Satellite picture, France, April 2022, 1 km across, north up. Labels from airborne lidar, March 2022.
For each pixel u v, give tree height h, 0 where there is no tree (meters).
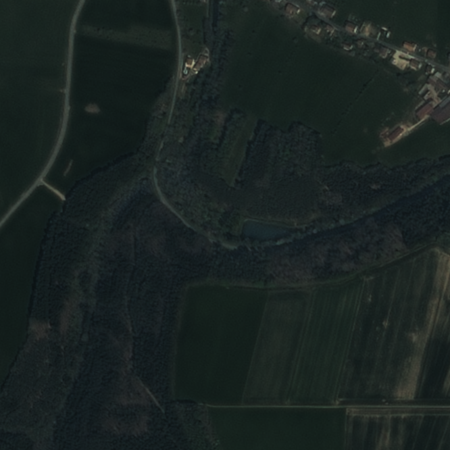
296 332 0
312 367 0
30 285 0
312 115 0
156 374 18
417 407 0
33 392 17
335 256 30
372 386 0
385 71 0
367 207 25
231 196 21
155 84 0
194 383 0
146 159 25
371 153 0
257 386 0
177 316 25
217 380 0
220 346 0
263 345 0
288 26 0
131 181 23
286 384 0
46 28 0
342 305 0
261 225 0
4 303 0
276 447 0
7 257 0
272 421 0
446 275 0
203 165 16
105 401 21
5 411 19
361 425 0
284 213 22
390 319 0
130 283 20
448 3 0
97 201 27
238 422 0
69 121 0
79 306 20
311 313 0
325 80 0
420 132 0
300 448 0
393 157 0
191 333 0
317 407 0
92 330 25
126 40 0
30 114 0
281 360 0
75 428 22
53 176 0
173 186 26
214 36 24
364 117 0
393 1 0
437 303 0
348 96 0
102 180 25
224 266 18
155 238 18
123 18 0
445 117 0
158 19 0
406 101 0
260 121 0
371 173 21
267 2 7
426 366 0
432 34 0
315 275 23
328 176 21
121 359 20
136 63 0
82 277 22
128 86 0
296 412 0
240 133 17
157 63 0
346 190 22
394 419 0
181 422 26
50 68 0
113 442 18
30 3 0
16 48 0
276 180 20
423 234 24
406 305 0
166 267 20
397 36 0
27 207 0
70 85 0
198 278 25
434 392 0
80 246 30
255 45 0
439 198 30
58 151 0
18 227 0
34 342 16
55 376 20
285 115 0
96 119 0
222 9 15
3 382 0
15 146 0
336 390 0
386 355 0
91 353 21
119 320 23
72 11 0
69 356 19
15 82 0
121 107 0
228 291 0
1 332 0
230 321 0
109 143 0
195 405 17
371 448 0
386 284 0
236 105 0
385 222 24
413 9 0
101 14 0
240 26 0
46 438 26
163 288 20
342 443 0
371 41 0
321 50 0
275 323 0
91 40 0
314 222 0
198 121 20
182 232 27
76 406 25
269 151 23
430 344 0
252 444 0
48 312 34
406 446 0
